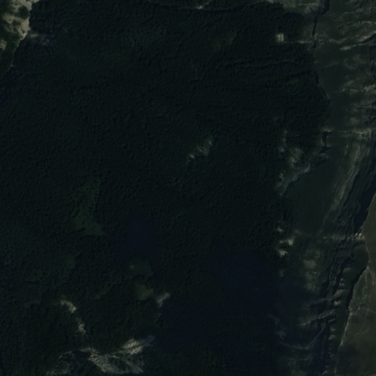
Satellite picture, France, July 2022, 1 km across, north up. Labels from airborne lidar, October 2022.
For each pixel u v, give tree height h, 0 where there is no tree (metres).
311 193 0
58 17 19
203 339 19
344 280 0
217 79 19
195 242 21
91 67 10
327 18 0
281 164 7
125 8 31
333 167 0
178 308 18
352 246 0
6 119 26
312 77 21
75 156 27
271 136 7
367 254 0
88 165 13
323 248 0
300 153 0
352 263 8
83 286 14
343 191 0
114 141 20
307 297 0
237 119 17
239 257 22
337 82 0
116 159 21
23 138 25
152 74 21
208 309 16
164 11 28
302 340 0
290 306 0
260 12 24
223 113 22
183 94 19
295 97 10
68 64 9
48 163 32
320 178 0
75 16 25
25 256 19
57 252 19
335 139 0
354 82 0
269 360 6
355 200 0
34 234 26
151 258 26
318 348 0
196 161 13
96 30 32
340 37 0
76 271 8
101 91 32
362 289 0
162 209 13
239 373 13
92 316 17
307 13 0
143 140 18
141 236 22
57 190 26
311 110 12
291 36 15
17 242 11
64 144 23
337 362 0
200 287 24
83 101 24
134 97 21
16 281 20
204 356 14
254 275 12
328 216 0
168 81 10
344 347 0
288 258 7
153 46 26
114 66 19
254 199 15
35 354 21
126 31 27
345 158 0
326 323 0
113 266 20
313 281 0
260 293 14
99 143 15
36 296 17
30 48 9
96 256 23
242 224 15
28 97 19
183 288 19
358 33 0
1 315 16
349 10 0
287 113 17
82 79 11
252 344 9
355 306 0
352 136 0
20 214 33
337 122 0
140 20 23
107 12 31
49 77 20
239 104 18
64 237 23
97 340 15
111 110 32
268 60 17
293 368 0
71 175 18
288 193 0
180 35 17
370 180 0
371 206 0
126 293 14
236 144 12
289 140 7
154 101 15
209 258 21
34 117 24
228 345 12
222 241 22
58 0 28
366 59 0
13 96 17
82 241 21
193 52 17
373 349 0
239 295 21
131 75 23
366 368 0
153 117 30
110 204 23
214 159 17
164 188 18
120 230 17
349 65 0
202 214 16
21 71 11
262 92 10
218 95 16
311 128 15
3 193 23
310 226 0
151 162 20
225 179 21
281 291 0
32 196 25
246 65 26
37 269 16
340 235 0
